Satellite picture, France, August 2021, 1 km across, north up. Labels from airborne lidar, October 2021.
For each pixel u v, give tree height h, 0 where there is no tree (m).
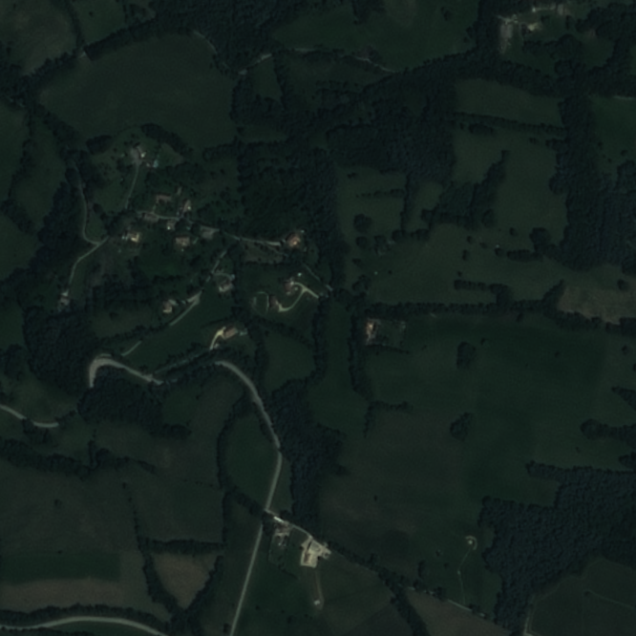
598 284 0
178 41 0
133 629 0
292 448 17
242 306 14
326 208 19
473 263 0
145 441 0
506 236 0
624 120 0
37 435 14
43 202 0
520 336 0
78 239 20
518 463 0
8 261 0
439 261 0
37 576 0
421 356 0
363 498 0
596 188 12
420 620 16
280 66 10
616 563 8
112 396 30
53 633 14
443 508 0
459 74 19
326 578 0
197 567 0
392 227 0
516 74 18
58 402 0
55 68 17
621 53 19
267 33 13
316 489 18
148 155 0
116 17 0
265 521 14
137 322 0
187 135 0
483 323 0
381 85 14
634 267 16
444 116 16
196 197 9
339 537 0
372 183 0
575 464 0
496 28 14
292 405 18
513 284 0
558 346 0
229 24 20
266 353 14
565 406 0
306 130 19
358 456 0
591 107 17
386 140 15
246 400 11
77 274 0
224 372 9
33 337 22
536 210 0
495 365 0
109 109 0
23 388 0
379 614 0
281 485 0
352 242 0
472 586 0
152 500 0
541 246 16
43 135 0
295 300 0
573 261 16
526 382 0
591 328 15
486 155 0
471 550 0
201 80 0
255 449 0
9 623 16
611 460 0
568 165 15
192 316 0
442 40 0
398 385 0
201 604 19
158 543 18
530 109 0
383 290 0
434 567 0
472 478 0
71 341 22
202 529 0
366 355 15
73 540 0
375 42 0
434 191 0
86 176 21
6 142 0
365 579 0
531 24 0
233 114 13
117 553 0
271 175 18
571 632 0
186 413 0
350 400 0
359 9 13
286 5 15
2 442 19
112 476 0
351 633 0
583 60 18
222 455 13
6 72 22
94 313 13
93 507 0
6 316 0
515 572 15
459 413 0
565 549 18
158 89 0
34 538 0
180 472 0
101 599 0
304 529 13
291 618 10
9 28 0
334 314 0
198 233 15
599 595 0
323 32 0
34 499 0
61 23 0
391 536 0
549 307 16
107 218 16
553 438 0
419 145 20
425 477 0
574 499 17
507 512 18
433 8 0
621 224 15
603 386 0
